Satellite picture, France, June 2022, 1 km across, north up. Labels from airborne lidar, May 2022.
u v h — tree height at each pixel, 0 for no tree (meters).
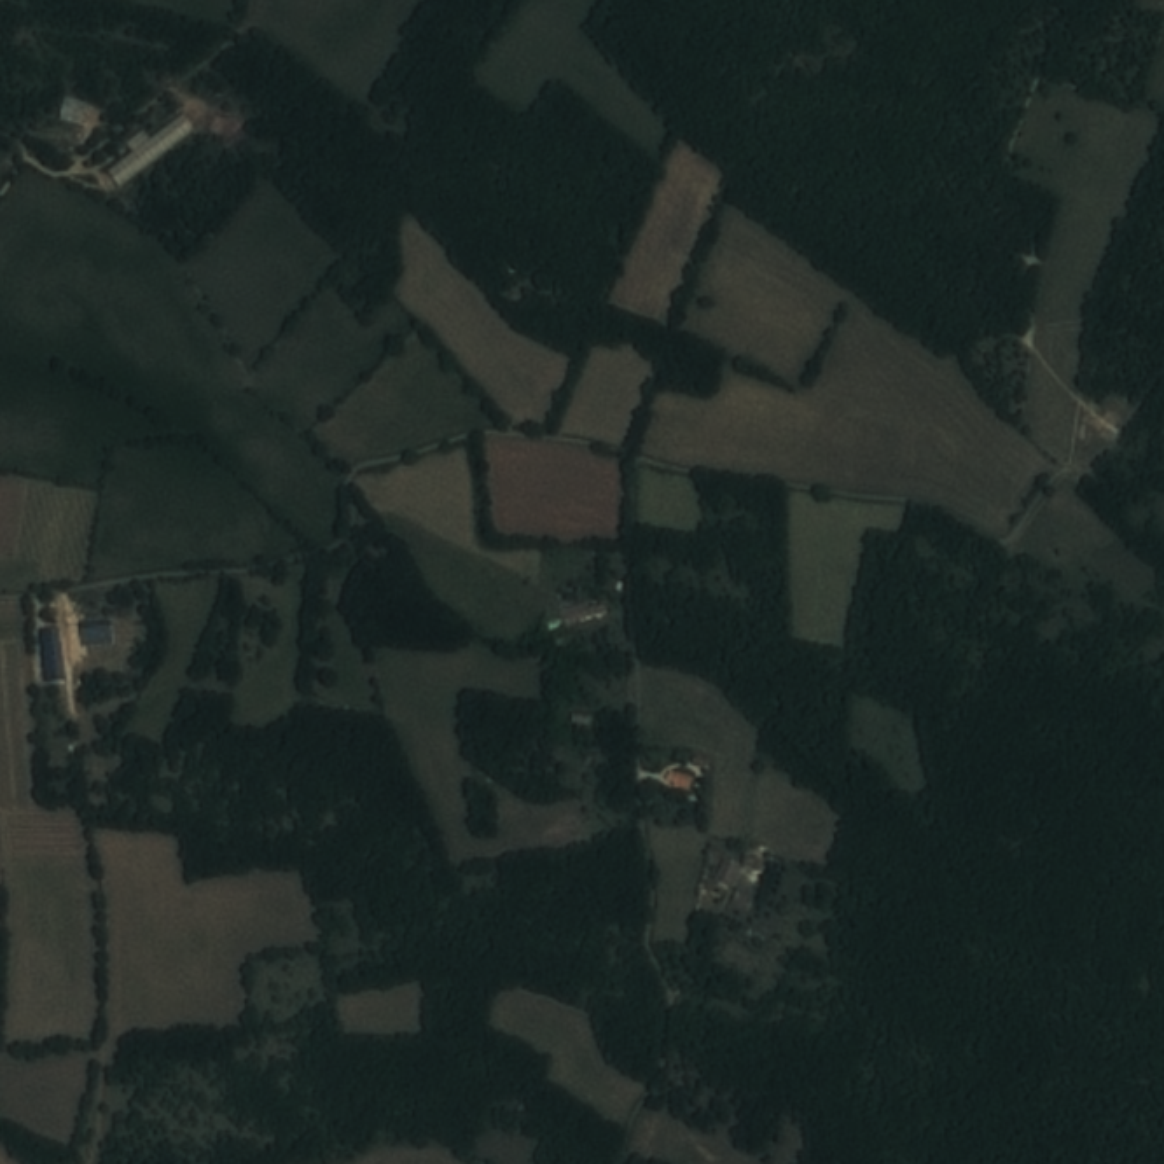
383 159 12
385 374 0
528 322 12
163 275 0
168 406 0
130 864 0
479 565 0
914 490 0
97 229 0
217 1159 11
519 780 8
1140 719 11
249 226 0
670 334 14
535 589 0
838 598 0
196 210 9
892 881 14
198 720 11
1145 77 10
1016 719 7
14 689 0
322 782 11
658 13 14
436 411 0
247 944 0
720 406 0
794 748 10
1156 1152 11
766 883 12
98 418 0
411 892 11
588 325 13
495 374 0
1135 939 11
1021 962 9
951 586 10
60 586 9
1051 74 13
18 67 6
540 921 8
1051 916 10
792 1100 12
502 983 14
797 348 0
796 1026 9
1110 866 11
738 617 12
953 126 11
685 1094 9
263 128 11
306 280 0
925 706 15
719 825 0
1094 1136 14
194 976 0
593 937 7
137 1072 9
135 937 0
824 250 10
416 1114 9
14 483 0
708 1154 0
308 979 0
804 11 9
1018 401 11
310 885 10
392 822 11
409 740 0
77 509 0
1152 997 8
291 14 0
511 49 0
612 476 0
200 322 0
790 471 0
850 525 0
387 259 11
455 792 0
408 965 13
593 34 15
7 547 0
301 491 0
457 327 0
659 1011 7
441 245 12
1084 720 9
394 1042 11
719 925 11
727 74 6
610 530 0
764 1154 9
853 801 16
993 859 9
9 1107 0
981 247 10
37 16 7
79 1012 0
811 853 0
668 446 0
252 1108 8
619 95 0
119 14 8
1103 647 8
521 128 11
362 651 9
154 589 8
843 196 10
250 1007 6
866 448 0
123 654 0
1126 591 0
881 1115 10
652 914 11
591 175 11
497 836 10
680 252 0
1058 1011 10
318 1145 8
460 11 15
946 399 0
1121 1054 10
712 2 11
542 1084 13
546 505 0
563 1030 0
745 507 7
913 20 12
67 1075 0
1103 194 0
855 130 10
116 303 0
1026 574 7
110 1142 11
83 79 7
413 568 12
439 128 12
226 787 7
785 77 10
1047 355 0
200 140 8
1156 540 9
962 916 13
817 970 9
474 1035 12
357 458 0
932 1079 10
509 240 14
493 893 9
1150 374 11
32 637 8
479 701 15
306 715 12
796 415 0
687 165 0
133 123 8
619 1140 14
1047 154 0
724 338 0
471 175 11
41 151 9
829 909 13
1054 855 8
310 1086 8
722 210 13
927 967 12
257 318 0
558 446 0
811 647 12
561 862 10
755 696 14
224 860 12
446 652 12
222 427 0
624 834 9
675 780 0
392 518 0
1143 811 10
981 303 11
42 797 14
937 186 12
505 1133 8
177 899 0
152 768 8
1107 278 11
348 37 0
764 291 0
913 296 9
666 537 13
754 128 6
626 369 0
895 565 9
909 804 13
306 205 13
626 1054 9
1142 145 0
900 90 9
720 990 13
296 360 0
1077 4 12
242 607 8
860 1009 7
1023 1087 11
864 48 9
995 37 14
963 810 9
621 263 13
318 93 11
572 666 9
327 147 13
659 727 0
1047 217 13
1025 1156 11
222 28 9
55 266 0
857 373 0
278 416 7
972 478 0
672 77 13
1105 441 0
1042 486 9
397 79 13
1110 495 6
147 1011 0
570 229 11
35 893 0
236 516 0
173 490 0
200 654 9
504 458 0
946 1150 11
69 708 0
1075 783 10
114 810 9
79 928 0
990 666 9
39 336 0
